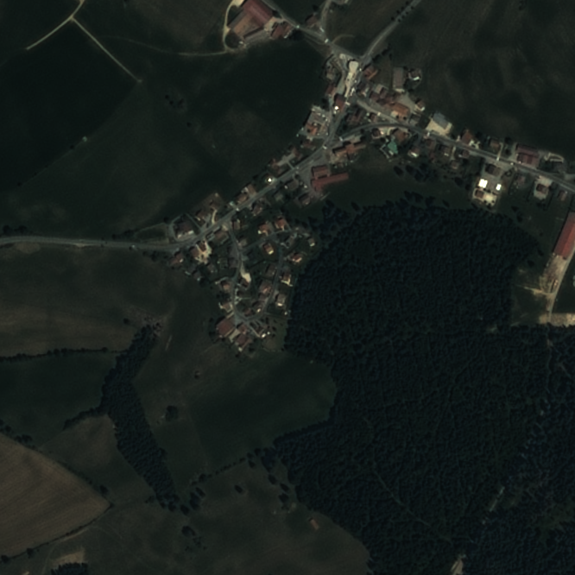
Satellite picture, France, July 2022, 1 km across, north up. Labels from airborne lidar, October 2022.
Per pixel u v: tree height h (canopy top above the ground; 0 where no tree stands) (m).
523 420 11
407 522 12
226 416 0
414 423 9
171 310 0
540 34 0
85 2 0
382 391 10
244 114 0
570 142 0
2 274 0
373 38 0
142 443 26
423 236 30
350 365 10
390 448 17
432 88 0
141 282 0
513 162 0
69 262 0
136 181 0
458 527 15
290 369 0
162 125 0
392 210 22
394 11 0
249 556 0
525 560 15
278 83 0
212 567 0
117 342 0
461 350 15
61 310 0
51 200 0
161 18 0
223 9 0
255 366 0
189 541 0
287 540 0
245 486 0
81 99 0
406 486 16
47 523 0
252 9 0
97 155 0
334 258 16
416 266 13
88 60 0
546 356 20
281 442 19
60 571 16
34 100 0
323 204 0
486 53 0
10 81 0
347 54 0
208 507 0
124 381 25
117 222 0
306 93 0
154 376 0
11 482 0
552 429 33
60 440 0
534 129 0
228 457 0
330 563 0
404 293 20
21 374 0
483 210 10
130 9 0
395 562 16
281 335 0
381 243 11
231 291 0
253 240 0
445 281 15
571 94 0
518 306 0
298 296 12
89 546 0
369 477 9
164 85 0
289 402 0
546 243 0
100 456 0
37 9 0
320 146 0
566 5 0
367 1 0
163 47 0
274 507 0
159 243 0
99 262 0
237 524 0
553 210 0
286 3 0
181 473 0
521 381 16
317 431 23
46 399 0
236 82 0
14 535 0
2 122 0
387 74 0
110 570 0
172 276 0
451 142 0
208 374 0
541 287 0
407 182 0
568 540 27
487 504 11
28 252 0
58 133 0
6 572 0
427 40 0
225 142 0
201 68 0
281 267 0
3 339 0
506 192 0
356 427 21
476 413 6
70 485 0
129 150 0
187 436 0
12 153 0
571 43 0
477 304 15
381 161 0
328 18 0
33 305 0
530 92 0
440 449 20
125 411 21
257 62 0
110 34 0
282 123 0
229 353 0
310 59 0
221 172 0
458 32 0
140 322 0
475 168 0
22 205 0
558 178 0
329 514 15
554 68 0
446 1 0
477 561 19
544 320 0
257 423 0
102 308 0
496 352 14
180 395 0
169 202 0
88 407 0
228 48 0
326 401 0
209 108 0
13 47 0
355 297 8
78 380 0
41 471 0
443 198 0
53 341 0
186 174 0
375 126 0
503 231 11
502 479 8
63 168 0
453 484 19
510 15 0
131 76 0
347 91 0
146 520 0
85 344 0
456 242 10
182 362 0
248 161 0
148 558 0
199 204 0
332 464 7
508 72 0
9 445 0
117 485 0
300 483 10
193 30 0
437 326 16
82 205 0
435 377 14
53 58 0
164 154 0
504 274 17
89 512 0
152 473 20
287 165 0
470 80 0
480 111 0
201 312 0
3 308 0
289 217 17
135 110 0
